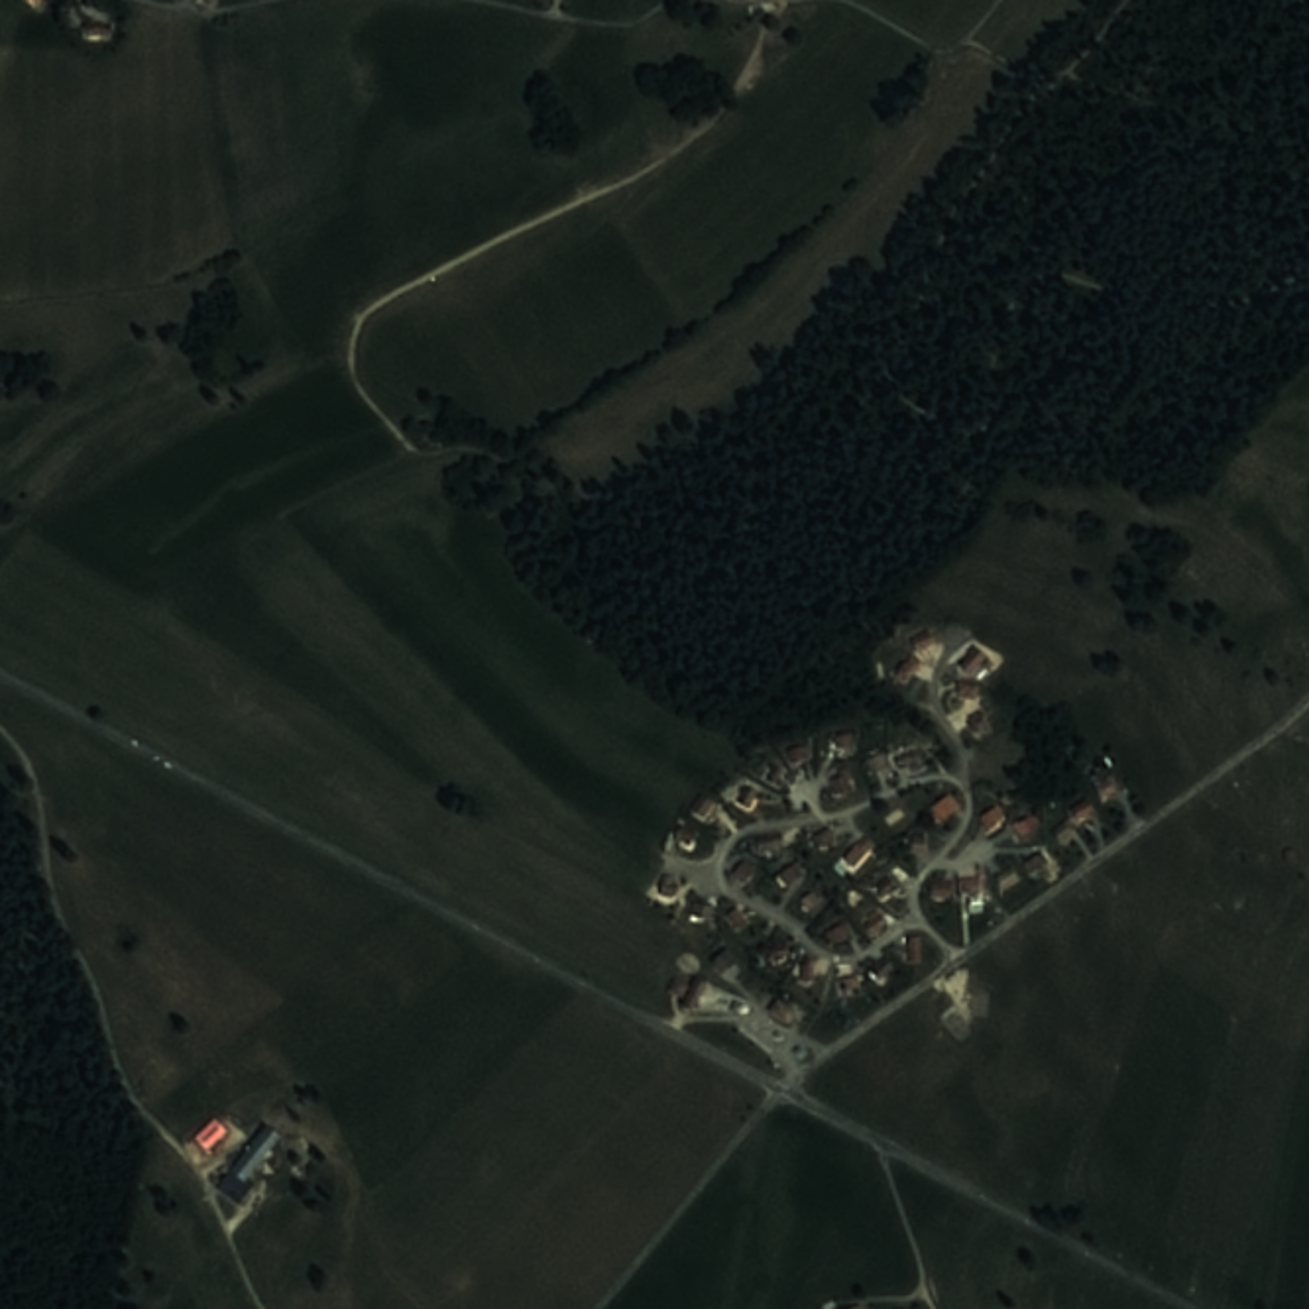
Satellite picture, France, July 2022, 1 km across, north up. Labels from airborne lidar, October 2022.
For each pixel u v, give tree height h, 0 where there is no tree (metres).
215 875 0
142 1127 19
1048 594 0
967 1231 0
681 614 33
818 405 21
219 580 0
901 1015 0
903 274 22
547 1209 0
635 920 0
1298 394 0
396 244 0
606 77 0
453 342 0
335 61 0
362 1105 0
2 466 0
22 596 0
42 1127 9
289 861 0
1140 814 9
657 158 0
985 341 37
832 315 29
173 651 0
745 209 0
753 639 34
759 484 9
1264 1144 0
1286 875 0
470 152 0
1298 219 13
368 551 0
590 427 0
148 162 0
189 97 0
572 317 0
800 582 32
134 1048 0
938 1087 0
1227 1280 0
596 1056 0
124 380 0
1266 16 15
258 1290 0
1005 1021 0
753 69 0
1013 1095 0
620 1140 0
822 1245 0
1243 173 15
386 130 0
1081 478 13
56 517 0
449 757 0
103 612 0
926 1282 0
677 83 21
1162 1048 0
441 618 0
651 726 0
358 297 0
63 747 0
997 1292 0
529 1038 0
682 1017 0
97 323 0
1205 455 30
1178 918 0
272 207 0
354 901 0
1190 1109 0
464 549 0
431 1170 0
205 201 0
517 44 0
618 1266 0
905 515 34
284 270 0
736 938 0
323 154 0
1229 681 0
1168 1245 0
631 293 0
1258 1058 0
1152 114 9
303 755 0
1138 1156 0
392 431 0
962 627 0
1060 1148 0
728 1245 0
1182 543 12
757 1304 0
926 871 0
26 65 0
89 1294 18
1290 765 0
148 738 0
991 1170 0
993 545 0
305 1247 0
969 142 12
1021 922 0
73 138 0
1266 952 0
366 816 0
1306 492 0
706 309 0
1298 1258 0
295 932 0
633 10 0
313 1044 0
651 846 0
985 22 0
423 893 0
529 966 0
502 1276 0
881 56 0
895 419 11
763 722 16
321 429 0
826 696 9
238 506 0
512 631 0
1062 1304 0
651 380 0
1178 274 12
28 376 22
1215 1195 0
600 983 0
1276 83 9
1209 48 16
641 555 15
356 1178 0
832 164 0
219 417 0
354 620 0
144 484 0
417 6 0
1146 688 0
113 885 0
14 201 0
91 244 0
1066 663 0
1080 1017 0
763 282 10
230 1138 0
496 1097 0
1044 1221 20
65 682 0
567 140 18
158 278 0
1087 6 13
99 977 0
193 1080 0
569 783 0
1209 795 0
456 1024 0
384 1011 0
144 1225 0
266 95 0
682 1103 0
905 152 0
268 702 0
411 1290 0
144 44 0
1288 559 0
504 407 0
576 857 0
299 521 0
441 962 0
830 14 0
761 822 0
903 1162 0
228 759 0
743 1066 0
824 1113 0
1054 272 17
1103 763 8
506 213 0
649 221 0
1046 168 9
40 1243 10
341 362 0
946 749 7
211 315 25
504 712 0
